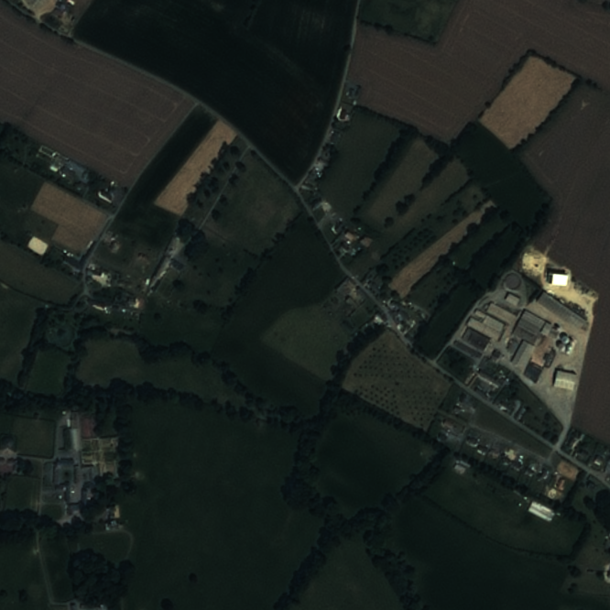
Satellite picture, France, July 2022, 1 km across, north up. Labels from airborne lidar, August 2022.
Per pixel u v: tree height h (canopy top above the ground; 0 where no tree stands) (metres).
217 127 0
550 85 0
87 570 31
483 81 0
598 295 0
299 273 0
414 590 13
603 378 0
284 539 0
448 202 7
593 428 0
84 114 0
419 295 0
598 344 0
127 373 0
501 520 0
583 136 0
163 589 0
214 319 0
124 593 20
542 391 0
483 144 0
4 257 0
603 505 22
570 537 0
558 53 0
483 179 0
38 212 0
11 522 29
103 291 8
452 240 0
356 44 0
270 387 0
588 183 0
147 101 0
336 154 10
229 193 0
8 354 0
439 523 0
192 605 0
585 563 0
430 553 0
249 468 0
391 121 10
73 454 0
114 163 0
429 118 0
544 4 0
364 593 0
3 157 13
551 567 0
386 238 0
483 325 0
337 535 24
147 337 0
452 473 0
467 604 0
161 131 0
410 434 6
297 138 0
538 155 0
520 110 0
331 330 0
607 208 0
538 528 0
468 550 0
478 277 0
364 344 11
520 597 0
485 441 0
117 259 0
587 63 0
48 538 25
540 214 14
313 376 0
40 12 0
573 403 0
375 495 0
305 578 27
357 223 11
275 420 14
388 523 18
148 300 0
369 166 0
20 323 0
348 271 0
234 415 21
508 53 0
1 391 24
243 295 18
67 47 0
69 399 19
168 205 0
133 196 0
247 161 0
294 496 34
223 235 0
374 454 0
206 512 0
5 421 0
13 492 0
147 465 0
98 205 9
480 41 0
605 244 0
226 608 0
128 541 0
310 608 0
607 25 0
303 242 0
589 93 0
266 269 0
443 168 10
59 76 0
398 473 0
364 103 0
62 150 0
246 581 0
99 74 0
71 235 0
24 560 0
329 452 0
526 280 9
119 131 0
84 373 0
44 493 0
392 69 0
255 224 0
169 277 0
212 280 0
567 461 7
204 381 0
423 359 8
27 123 0
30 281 0
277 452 0
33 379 0
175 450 0
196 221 0
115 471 0
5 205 0
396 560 14
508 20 0
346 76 0
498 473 7
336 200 0
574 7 0
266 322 0
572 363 0
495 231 0
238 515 0
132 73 0
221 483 0
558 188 0
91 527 27
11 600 0
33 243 0
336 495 0
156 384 0
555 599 0
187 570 0
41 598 0
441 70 0
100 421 14
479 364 0
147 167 0
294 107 0
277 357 0
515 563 0
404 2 0
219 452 0
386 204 0
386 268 14
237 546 0
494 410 0
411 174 0
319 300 0
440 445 7
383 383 0
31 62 0
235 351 0
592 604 0
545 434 9
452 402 0
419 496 12
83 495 0
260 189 0
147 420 0
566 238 0
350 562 0
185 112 0
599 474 0
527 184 0
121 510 0
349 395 13
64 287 0
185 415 0
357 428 0
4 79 0
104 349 0
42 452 0
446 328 0
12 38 0
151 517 0
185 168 0
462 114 0
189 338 0
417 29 0
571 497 11
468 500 0
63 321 15
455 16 0
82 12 0
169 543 0
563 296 0
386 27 6
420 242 6
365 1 0
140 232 0
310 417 0
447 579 0
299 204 10
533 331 0
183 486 0
